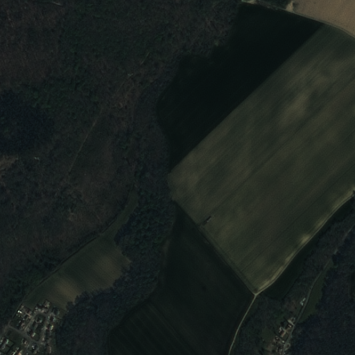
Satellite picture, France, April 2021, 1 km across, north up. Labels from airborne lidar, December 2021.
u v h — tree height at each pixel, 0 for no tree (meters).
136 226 27
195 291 0
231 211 0
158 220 19
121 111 14
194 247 0
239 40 0
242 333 12
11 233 16
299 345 25
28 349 0
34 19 17
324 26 0
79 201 13
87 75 17
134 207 0
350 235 16
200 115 0
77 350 19
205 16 21
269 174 0
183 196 0
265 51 0
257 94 0
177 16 26
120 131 10
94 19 21
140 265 21
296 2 0
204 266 0
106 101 22
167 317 0
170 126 0
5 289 18
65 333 20
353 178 0
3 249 19
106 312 20
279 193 0
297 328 12
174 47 20
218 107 0
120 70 22
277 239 0
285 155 0
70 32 18
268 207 0
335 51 0
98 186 0
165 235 6
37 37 19
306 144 0
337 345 20
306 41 0
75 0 18
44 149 22
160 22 20
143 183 30
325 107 0
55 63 11
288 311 15
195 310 0
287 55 0
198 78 0
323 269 21
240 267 0
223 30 9
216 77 0
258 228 0
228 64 0
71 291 0
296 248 0
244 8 0
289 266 0
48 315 0
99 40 19
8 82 22
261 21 0
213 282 0
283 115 0
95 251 0
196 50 19
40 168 10
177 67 10
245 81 0
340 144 0
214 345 0
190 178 0
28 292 11
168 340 0
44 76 14
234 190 0
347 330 19
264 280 0
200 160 0
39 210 14
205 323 0
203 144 0
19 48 22
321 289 0
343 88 0
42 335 0
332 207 0
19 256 23
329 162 0
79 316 8
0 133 18
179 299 0
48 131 21
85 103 24
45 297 0
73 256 0
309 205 0
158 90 15
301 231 0
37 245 9
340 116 0
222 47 0
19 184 17
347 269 18
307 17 0
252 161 0
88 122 22
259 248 0
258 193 0
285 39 0
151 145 14
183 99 0
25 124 21
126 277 28
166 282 0
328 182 0
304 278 10
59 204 14
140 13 21
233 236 0
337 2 0
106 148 0
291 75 0
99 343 17
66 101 22
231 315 0
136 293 23
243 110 0
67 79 13
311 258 13
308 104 0
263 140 0
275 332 7
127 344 0
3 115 20
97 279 0
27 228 10
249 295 0
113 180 16
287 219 0
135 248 22
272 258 0
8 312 13
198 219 0
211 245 0
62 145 27
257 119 0
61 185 14
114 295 24
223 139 0
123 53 20
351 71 0
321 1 0
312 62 0
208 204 0
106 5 19
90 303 24
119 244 21
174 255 0
